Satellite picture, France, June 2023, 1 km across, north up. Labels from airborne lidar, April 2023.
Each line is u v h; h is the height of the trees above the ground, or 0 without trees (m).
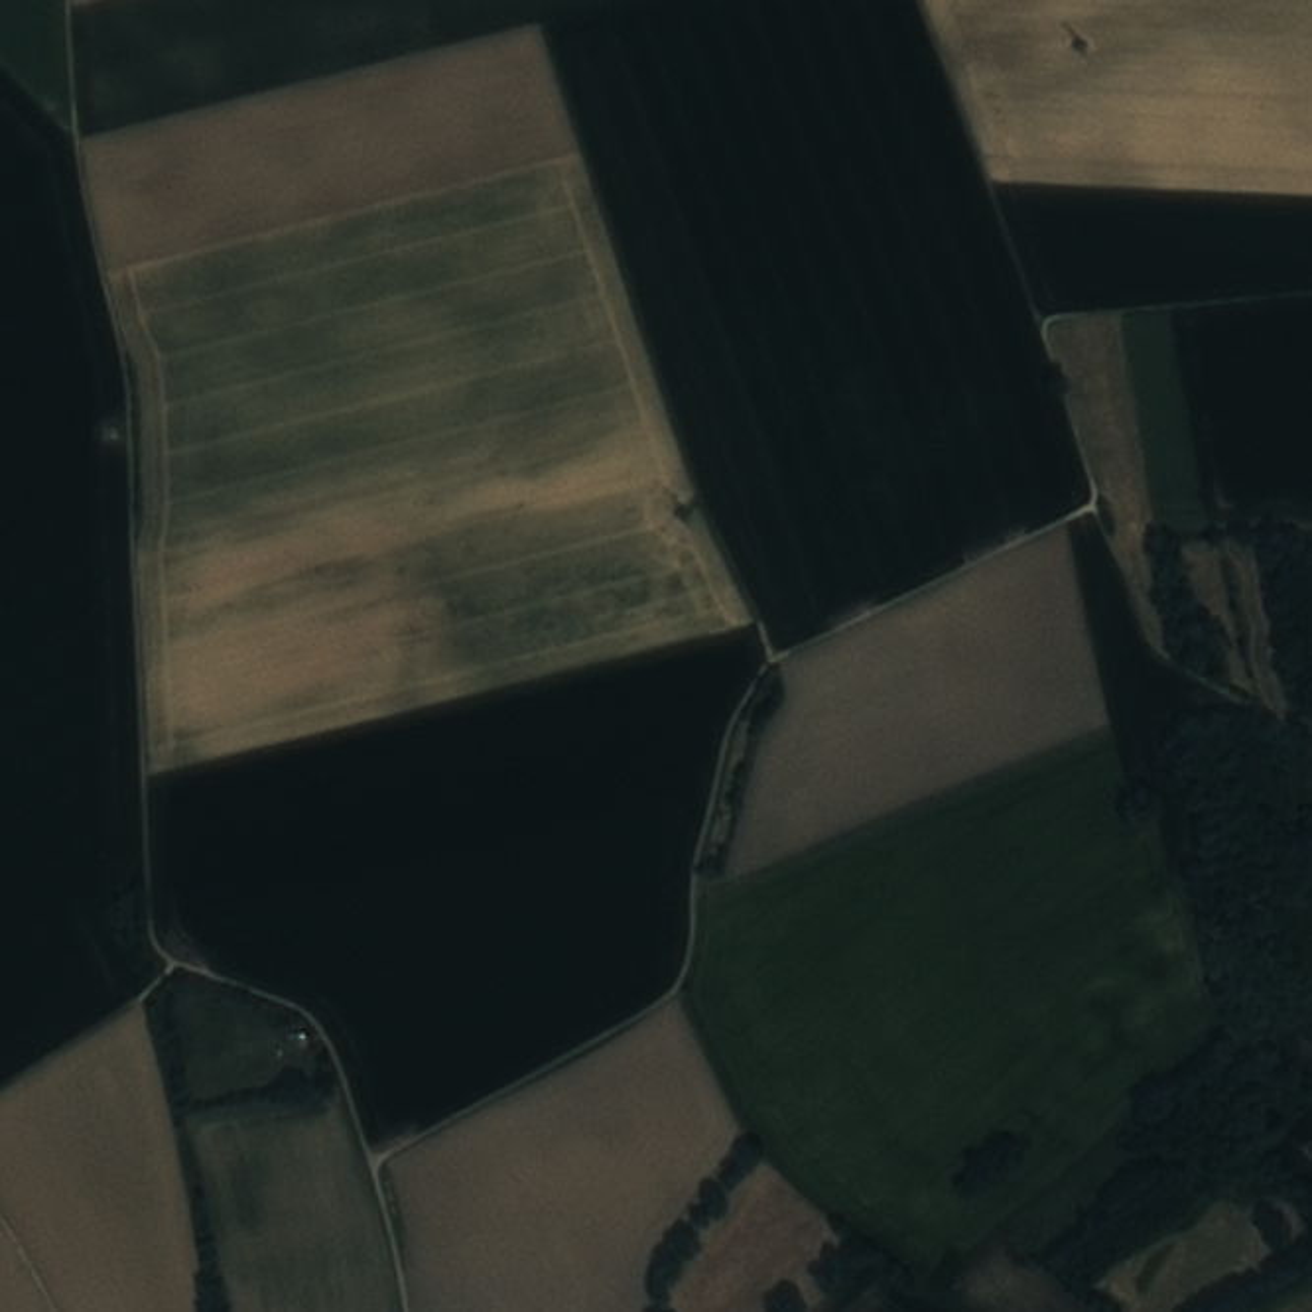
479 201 0
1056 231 0
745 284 0
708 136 0
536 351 0
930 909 0
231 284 0
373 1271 0
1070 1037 0
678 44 0
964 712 0
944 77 0
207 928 0
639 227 0
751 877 0
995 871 0
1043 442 0
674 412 0
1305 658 15
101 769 0
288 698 0
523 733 0
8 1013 0
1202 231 0
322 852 0
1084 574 0
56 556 0
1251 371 0
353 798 0
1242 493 0
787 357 0
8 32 0
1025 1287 0
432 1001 0
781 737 0
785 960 0
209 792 0
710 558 0
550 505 0
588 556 0
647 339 0
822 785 0
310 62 0
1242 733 20
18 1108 0
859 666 0
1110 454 0
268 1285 0
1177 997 0
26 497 0
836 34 0
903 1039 0
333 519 0
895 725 0
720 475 0
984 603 0
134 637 0
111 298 0
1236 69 0
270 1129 0
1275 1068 22
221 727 0
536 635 0
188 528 0
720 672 0
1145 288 0
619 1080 0
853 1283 0
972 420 0
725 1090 0
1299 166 0
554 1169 0
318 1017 0
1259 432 0
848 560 0
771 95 0
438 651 0
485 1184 0
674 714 0
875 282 0
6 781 0
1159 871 0
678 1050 0
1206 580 0
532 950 0
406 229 0
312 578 0
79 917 0
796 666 0
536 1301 0
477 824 0
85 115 0
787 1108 0
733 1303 0
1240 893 17
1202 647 18
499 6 0
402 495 0
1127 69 0
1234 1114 21
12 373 0
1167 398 0
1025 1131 0
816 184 0
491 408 0
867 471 0
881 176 0
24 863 0
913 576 0
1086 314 0
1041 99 0
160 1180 0
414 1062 0
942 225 0
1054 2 0
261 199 0
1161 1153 13
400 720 0
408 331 0
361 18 0
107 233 0
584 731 0
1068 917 0
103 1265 0
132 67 0
